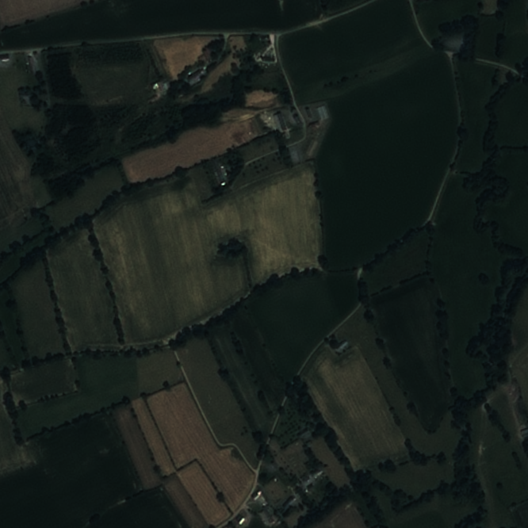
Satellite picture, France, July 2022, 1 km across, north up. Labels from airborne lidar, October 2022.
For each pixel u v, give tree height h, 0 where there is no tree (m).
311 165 0
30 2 0
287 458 0
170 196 0
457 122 0
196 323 0
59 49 7
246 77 18
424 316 0
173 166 0
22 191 0
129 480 0
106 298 0
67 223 0
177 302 0
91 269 0
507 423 0
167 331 0
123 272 0
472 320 0
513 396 0
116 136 0
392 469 19
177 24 0
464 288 0
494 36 0
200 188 0
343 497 17
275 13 0
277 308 0
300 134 0
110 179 0
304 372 0
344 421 0
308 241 0
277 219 0
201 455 0
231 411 0
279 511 7
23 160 0
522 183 0
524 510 0
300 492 10
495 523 0
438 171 0
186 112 16
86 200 0
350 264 0
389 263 0
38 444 0
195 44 0
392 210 0
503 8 16
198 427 0
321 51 0
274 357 0
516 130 0
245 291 0
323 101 0
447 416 0
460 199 0
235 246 22
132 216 0
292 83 0
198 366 0
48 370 0
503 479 0
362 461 0
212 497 0
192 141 0
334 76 0
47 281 11
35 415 0
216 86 0
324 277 0
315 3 0
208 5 0
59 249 0
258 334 0
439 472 0
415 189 0
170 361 0
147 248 0
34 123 0
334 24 0
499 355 23
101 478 0
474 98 0
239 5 0
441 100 0
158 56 0
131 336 0
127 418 0
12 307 20
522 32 0
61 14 0
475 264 0
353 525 0
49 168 11
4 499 0
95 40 0
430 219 0
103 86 0
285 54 0
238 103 14
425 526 0
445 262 0
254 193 0
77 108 10
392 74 0
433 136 0
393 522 0
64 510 0
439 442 0
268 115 0
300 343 0
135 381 0
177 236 0
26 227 0
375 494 0
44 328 0
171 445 0
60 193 12
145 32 0
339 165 0
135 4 0
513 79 28
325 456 0
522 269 33
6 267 0
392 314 0
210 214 0
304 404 22
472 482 13
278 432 0
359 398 0
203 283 0
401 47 0
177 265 0
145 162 0
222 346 0
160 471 20
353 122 0
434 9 0
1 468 0
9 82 0
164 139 7
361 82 0
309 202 0
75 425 16
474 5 0
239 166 9
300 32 0
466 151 0
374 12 0
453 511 0
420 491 0
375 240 0
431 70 0
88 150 8
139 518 0
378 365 0
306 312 0
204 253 0
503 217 0
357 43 0
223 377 19
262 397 15
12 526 0
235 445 0
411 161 0
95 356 14
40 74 13
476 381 0
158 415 0
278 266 0
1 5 0
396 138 0
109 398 0
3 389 0
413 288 0
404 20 0
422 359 0
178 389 0
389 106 0
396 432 0
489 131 10
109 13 0
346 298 0
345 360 0
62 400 0
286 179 0
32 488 0
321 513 20
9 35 0
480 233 8
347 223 0
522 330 0
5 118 0
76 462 0
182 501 0
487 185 17
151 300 0
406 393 8
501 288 9
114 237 0
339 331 0
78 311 0
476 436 0
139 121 9
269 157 0
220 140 0
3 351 0
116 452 0
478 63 0
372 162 0
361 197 0
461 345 0
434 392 0
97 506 0
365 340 0
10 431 0
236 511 0
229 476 0
